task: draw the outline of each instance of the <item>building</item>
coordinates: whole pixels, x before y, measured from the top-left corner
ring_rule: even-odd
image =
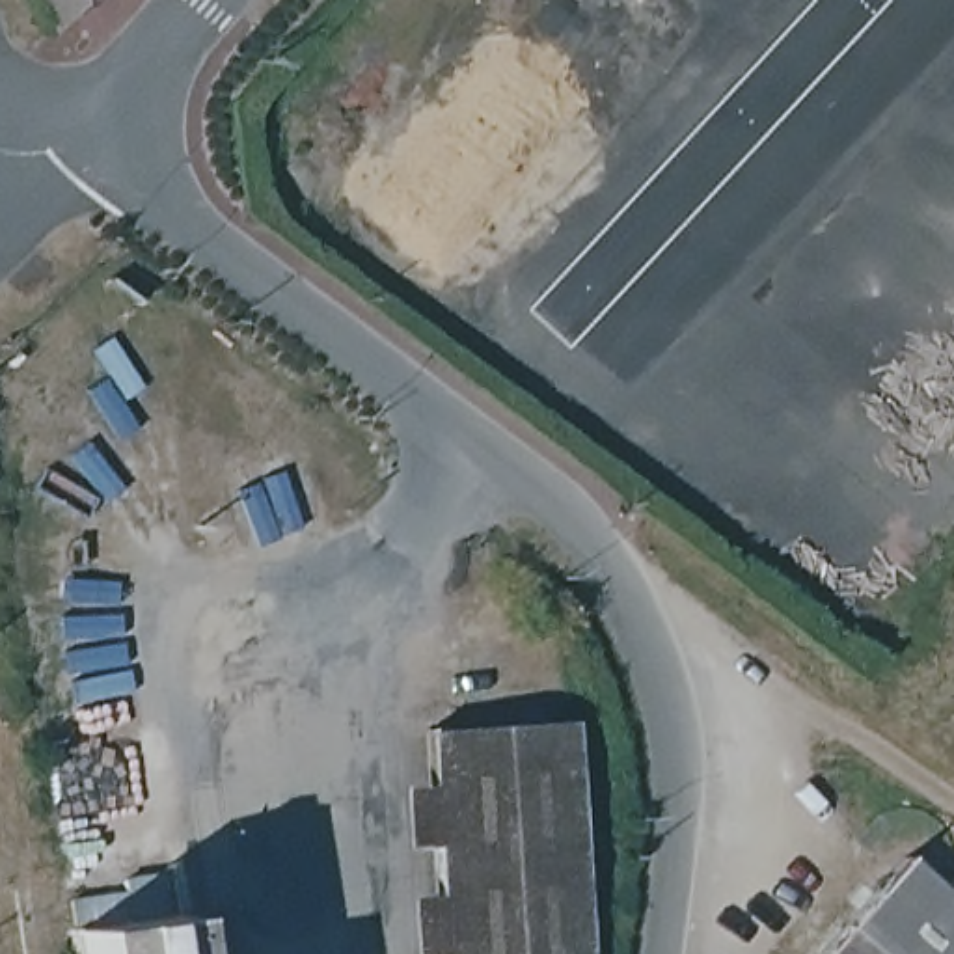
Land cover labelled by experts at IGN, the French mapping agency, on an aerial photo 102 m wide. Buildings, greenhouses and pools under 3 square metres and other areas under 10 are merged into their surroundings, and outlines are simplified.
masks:
[[[451,868],[451,887],[421,902],[425,954],[600,954],[596,831],[585,723],[443,730],[443,771],[436,771],[432,786],[417,790],[414,801],[417,842],[443,846]]]
[[[805,947],[805,954],[954,954],[954,883],[920,857],[920,846],[906,857],[894,857],[891,868],[876,879],[868,902],[853,906],[850,924],[831,924],[820,939]]]
[[[63,34],[78,19],[78,11],[89,7],[89,0],[52,0]]]
[[[71,954],[227,954],[224,920],[205,917],[190,902],[186,872],[175,861],[138,865],[134,876],[142,876],[145,887],[138,891],[116,887],[112,894],[86,898],[89,913],[104,932],[82,932]]]

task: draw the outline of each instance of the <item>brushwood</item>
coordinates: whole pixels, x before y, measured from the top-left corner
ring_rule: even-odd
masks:
[[[194,268],[194,261],[175,261],[175,250],[116,220],[108,224],[104,239],[119,239],[127,246],[130,265],[160,276],[157,291],[164,298],[186,298],[190,313],[201,317],[209,332],[224,328],[231,343],[242,343],[246,350],[268,347],[272,369],[287,380],[306,384],[298,399],[302,410],[320,410],[332,402],[339,417],[365,436],[376,436],[380,425],[388,425],[380,414],[365,414],[365,391],[354,388],[354,380],[339,380],[339,369],[332,369],[328,361],[317,361],[313,354],[298,350],[268,324],[242,317],[239,302],[216,291]]]
[[[455,343],[417,309],[410,309],[402,298],[373,283],[358,265],[328,250],[320,239],[313,239],[302,224],[291,220],[287,205],[279,201],[272,168],[265,145],[268,104],[283,116],[291,104],[313,101],[320,86],[332,86],[339,78],[335,45],[350,26],[358,26],[373,0],[250,0],[253,34],[242,37],[239,52],[231,56],[209,97],[212,160],[220,179],[231,186],[231,198],[246,198],[250,209],[242,209],[242,220],[265,224],[320,268],[354,287],[399,328],[406,328],[414,339],[436,350],[447,365],[455,365],[462,376],[470,376],[477,388],[496,395],[507,410],[525,417],[537,432],[544,432],[581,466],[589,466],[604,484],[619,492],[622,511],[645,511],[667,522],[701,555],[708,555],[727,574],[745,581],[760,600],[768,600],[812,641],[835,652],[853,675],[868,682],[891,671],[902,675],[906,663],[898,652],[865,634],[846,630],[824,604],[801,593],[775,566],[730,548],[716,529],[708,529],[671,496],[663,496],[622,458],[604,451],[596,440],[589,440],[578,425],[540,406],[540,399],[533,399],[525,388],[507,380],[484,358]]]

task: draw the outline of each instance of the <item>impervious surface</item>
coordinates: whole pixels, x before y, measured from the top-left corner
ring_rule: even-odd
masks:
[[[242,220],[242,209],[250,209],[246,198],[231,198],[231,186],[220,179],[212,160],[209,97],[231,56],[239,52],[242,37],[253,34],[250,0],[89,0],[89,7],[78,11],[78,19],[63,34],[48,45],[19,52],[7,45],[0,30],[0,283],[11,287],[30,265],[45,257],[41,242],[60,224],[78,216],[89,224],[101,224],[104,216],[116,220],[175,250],[175,261],[194,261],[194,268],[216,291],[239,302],[242,317],[268,324],[298,350],[313,354],[317,361],[328,361],[332,369],[339,369],[339,380],[354,380],[354,388],[365,391],[365,414],[380,414],[388,425],[399,443],[399,473],[358,522],[328,525],[309,518],[302,529],[283,533],[272,544],[257,533],[250,537],[250,544],[224,559],[190,555],[175,525],[160,525],[149,533],[127,529],[127,544],[134,544],[142,555],[123,574],[75,570],[63,600],[67,630],[78,645],[67,648],[67,663],[56,686],[60,697],[75,701],[75,719],[48,719],[34,734],[60,749],[60,768],[52,771],[52,816],[60,820],[60,842],[71,861],[67,876],[78,898],[86,898],[112,894],[116,887],[138,891],[145,887],[142,876],[134,876],[138,865],[175,861],[186,872],[190,902],[205,917],[224,920],[227,954],[425,954],[421,902],[451,887],[451,868],[443,846],[417,842],[414,801],[417,790],[432,786],[436,771],[443,771],[443,730],[443,719],[455,708],[470,704],[473,671],[458,667],[455,641],[440,637],[447,607],[443,581],[451,574],[455,544],[470,533],[484,529],[488,548],[496,555],[503,563],[514,559],[518,566],[540,574],[552,585],[552,593],[570,593],[574,604],[585,607],[593,641],[604,652],[607,671],[615,675],[626,730],[634,738],[648,853],[648,872],[637,872],[637,917],[630,954],[678,954],[697,824],[697,727],[667,626],[645,581],[611,540],[574,499],[574,492],[559,488],[540,466],[533,466],[518,443],[503,440],[492,425],[473,417],[455,399],[447,399],[432,380],[410,369],[395,350],[376,343],[373,335],[365,335],[365,328],[358,328],[332,302],[309,294],[302,272],[320,268],[265,224]]]
[[[279,201],[287,205],[291,220],[302,224],[313,239],[320,239],[328,250],[358,265],[373,283],[402,298],[410,309],[417,309],[455,343],[484,358],[507,380],[525,388],[533,399],[540,399],[540,406],[578,425],[589,440],[596,440],[604,451],[622,458],[663,496],[671,496],[708,529],[716,529],[730,548],[775,566],[801,593],[824,604],[846,630],[865,634],[898,652],[909,645],[909,637],[898,634],[894,622],[868,615],[865,596],[891,596],[898,581],[913,581],[913,552],[928,544],[928,537],[954,529],[954,0],[675,0],[675,26],[660,34],[637,22],[626,4],[585,11],[578,0],[548,0],[537,22],[548,45],[555,45],[578,75],[578,89],[589,101],[596,145],[604,149],[604,175],[593,194],[578,198],[570,209],[559,212],[552,235],[522,242],[522,250],[492,265],[481,283],[455,283],[447,276],[436,291],[417,287],[410,279],[417,261],[402,257],[395,239],[361,209],[350,209],[343,179],[361,149],[358,134],[347,134],[343,127],[317,119],[313,153],[291,157],[272,168]]]

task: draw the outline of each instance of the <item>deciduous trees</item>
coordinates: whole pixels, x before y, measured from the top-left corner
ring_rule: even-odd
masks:
[[[52,771],[60,768],[60,749],[34,734],[22,745],[22,756],[34,771],[30,812],[37,820],[52,816]]]
[[[60,533],[60,518],[34,503],[30,481],[15,462],[4,458],[0,440],[0,719],[7,727],[19,723],[37,708],[45,693],[37,686],[37,648],[30,641],[22,600],[26,593],[56,585],[52,552],[45,548],[45,540]]]
[[[570,593],[552,593],[552,585],[540,574],[518,566],[514,559],[503,563],[496,555],[492,566],[484,566],[473,578],[473,585],[481,581],[492,593],[492,600],[507,611],[511,630],[552,637],[559,652],[559,689],[593,701],[600,712],[615,835],[611,954],[630,954],[637,917],[637,872],[648,872],[648,853],[634,738],[626,730],[615,675],[607,671],[604,652],[593,641],[585,607],[574,604]]]

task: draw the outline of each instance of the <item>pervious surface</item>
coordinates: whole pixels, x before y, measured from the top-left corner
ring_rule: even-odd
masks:
[[[373,0],[358,26],[350,26],[335,45],[339,78],[332,86],[320,86],[313,101],[291,104],[283,116],[268,104],[265,145],[272,168],[291,157],[313,153],[317,119],[343,127],[347,134],[358,134],[361,149],[343,179],[350,209],[361,209],[395,239],[402,257],[417,261],[410,279],[417,287],[436,291],[447,276],[455,283],[481,283],[492,265],[522,250],[522,242],[552,235],[559,212],[570,209],[578,198],[593,194],[604,175],[604,149],[596,145],[589,101],[578,89],[578,75],[555,45],[548,45],[537,22],[548,0]]]
[[[660,34],[675,26],[675,0],[578,0],[585,11],[626,4],[637,22]]]
[[[786,671],[783,656],[730,630],[682,585],[675,585],[622,529],[615,529],[611,540],[645,581],[667,626],[697,727],[697,824],[678,954],[768,954],[775,947],[771,928],[805,928],[812,894],[824,883],[820,865],[835,853],[835,842],[846,835],[842,812],[831,809],[824,794],[812,786],[812,742],[842,742],[857,749],[894,783],[917,790],[935,809],[943,809],[935,820],[939,835],[920,846],[920,857],[954,883],[954,783],[947,775],[920,768],[909,753],[868,730],[857,716],[797,689],[797,671]]]

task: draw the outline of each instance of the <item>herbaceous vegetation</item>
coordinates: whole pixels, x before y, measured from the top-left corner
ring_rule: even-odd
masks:
[[[611,954],[615,835],[600,712],[593,701],[559,689],[559,652],[552,637],[511,630],[507,611],[492,600],[492,593],[481,581],[473,585],[473,578],[484,566],[492,566],[496,555],[488,548],[484,529],[470,533],[455,544],[451,574],[443,581],[447,607],[440,637],[455,641],[458,667],[473,671],[470,704],[455,708],[443,719],[443,730],[585,723],[596,831],[600,954]]]
[[[52,0],[0,0],[0,30],[7,45],[19,52],[48,45],[63,34]]]
[[[727,574],[708,555],[701,555],[667,522],[645,511],[622,511],[619,492],[604,484],[589,466],[581,466],[544,432],[537,432],[525,417],[507,410],[496,395],[477,388],[470,376],[462,376],[455,365],[447,365],[436,350],[414,339],[406,328],[399,328],[354,287],[320,268],[302,272],[309,294],[332,302],[358,328],[365,328],[365,335],[373,335],[376,343],[395,350],[410,369],[432,380],[447,399],[455,399],[473,417],[492,425],[503,440],[518,443],[533,466],[540,466],[559,488],[574,492],[574,499],[611,540],[615,529],[622,529],[675,585],[682,585],[730,630],[783,656],[786,671],[797,671],[797,689],[857,716],[868,730],[909,753],[920,768],[947,775],[954,783],[954,529],[928,537],[928,544],[913,552],[913,581],[898,581],[891,596],[865,596],[868,615],[894,622],[898,634],[909,637],[909,645],[898,652],[906,663],[902,675],[891,671],[868,682],[853,675],[835,652],[812,641],[768,600],[760,600],[745,581]]]
[[[116,220],[104,216],[101,224],[89,224],[78,216],[60,224],[41,242],[45,257],[30,265],[11,287],[0,283],[0,440],[4,458],[15,462],[30,481],[34,503],[60,518],[60,533],[45,540],[45,548],[52,552],[56,585],[26,593],[22,600],[30,641],[37,648],[37,686],[45,693],[37,708],[19,723],[7,727],[0,719],[0,954],[71,954],[82,932],[104,932],[89,913],[86,898],[78,898],[67,876],[71,861],[60,842],[60,820],[52,816],[37,820],[30,812],[34,771],[22,756],[22,745],[34,734],[48,719],[75,719],[75,701],[60,697],[56,686],[67,663],[67,648],[78,645],[67,630],[63,600],[75,570],[123,574],[142,555],[134,544],[127,544],[127,529],[149,533],[160,525],[175,525],[190,555],[224,559],[250,544],[250,537],[257,533],[272,544],[283,533],[302,529],[309,518],[328,525],[358,522],[399,473],[399,443],[388,425],[380,425],[376,436],[365,436],[339,417],[332,402],[320,410],[302,410],[298,399],[306,384],[287,380],[272,369],[268,347],[246,350],[242,343],[231,343],[224,328],[209,332],[201,317],[190,313],[186,298],[164,298],[157,291],[160,276],[130,265],[127,246],[119,239],[104,239],[108,224]]]
[[[835,842],[835,853],[820,865],[824,883],[812,894],[805,928],[771,928],[775,947],[768,954],[805,954],[805,947],[820,939],[831,924],[850,924],[853,906],[868,902],[876,879],[891,868],[894,857],[906,857],[920,846],[939,835],[935,820],[943,809],[935,809],[917,790],[894,783],[857,749],[842,742],[812,742],[812,786],[824,794],[831,809],[842,812],[846,835]]]

